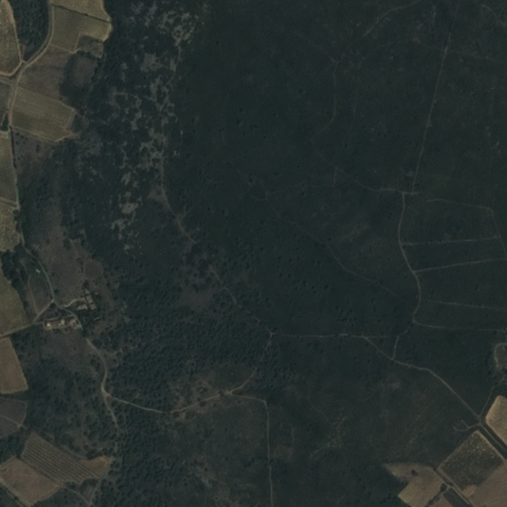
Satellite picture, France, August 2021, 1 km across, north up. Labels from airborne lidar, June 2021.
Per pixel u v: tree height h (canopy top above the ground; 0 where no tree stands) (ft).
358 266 0
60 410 21
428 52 0
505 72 0
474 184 0
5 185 0
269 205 0
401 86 0
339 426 0
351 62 0
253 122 0
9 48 0
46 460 0
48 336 0
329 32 0
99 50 0
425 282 0
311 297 0
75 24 0
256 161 0
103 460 0
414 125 0
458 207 0
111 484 23
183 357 28
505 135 0
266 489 0
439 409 0
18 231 33
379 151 0
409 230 0
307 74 0
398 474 0
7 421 0
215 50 0
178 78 0
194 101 0
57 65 0
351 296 0
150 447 27
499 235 0
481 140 0
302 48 0
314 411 0
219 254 34
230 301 24
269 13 0
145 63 0
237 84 0
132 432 20
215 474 0
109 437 26
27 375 23
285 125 0
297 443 0
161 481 32
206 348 18
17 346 26
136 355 31
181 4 0
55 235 0
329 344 0
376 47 0
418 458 0
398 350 0
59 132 0
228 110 0
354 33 0
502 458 0
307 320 0
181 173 0
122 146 0
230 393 0
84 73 0
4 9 0
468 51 0
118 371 40
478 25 0
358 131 0
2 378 0
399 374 0
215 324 31
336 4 0
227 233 30
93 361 24
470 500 0
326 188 0
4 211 0
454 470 0
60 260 0
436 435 0
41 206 34
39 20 36
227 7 0
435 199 0
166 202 0
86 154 0
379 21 0
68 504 23
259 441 0
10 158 0
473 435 0
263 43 0
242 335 30
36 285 0
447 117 0
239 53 0
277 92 0
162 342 30
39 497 0
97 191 0
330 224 0
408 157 0
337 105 0
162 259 0
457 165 0
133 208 0
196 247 20
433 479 0
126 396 27
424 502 0
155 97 0
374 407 0
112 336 20
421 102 0
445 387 0
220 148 0
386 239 0
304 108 0
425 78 0
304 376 0
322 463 0
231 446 0
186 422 0
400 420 0
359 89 0
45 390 19
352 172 0
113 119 0
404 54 0
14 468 0
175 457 0
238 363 37
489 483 0
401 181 0
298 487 0
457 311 0
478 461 0
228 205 0
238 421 0
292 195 0
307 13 0
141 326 41
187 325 21
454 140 0
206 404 0
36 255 22
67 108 0
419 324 0
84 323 25
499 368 0
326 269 0
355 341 0
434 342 22
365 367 0
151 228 0
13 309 0
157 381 26
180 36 0
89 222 0
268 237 0
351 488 0
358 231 0
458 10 0
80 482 0
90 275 0
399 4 0
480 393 0
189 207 26
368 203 0
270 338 30
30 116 0
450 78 0
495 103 0
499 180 0
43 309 0
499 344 0
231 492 0
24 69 0
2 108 0
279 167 0
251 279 0
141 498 21
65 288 0
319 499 0
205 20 0
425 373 0
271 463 32
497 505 0
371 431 0
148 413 21
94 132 0
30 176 0
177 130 17
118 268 32
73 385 26
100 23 0
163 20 0
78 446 0
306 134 0
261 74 0
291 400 0
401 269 0
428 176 0
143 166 0
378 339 0
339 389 0
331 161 0
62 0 0
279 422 0
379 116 0
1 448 36
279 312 0
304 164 0
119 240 0
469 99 0
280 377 34
